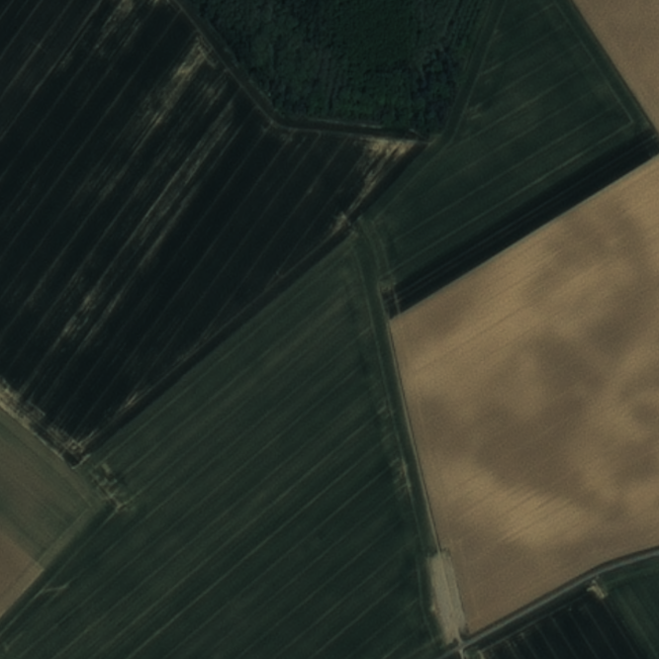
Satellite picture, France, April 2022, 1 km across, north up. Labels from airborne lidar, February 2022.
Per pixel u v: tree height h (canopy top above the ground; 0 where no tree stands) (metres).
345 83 16
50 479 0
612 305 0
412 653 0
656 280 0
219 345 0
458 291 0
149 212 0
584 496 0
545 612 0
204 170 0
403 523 0
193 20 0
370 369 0
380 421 0
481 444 0
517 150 0
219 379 0
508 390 0
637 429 0
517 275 0
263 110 0
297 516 0
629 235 0
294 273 0
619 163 0
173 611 0
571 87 0
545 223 0
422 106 22
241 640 0
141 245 0
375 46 19
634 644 0
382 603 0
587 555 0
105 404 0
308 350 0
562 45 0
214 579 0
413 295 0
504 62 0
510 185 0
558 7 0
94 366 0
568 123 0
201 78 0
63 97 0
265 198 0
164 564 0
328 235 0
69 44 0
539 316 0
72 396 0
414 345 0
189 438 0
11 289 0
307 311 0
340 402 0
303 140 0
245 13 18
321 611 0
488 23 0
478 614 0
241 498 0
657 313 0
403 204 0
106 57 0
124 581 0
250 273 0
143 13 0
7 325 0
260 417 0
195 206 0
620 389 0
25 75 0
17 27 0
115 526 0
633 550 0
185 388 0
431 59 14
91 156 0
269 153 0
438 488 0
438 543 0
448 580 0
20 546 0
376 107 16
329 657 0
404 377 0
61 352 0
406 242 0
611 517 0
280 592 0
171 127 0
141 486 0
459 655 0
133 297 0
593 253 0
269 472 0
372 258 0
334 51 21
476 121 0
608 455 0
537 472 0
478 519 0
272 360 0
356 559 0
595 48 0
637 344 0
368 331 0
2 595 0
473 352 0
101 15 0
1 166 0
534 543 0
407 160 0
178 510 0
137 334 0
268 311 0
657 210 0
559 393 0
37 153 0
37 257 0
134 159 0
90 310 0
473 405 0
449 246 0
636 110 0
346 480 0
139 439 0
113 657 0
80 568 0
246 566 0
